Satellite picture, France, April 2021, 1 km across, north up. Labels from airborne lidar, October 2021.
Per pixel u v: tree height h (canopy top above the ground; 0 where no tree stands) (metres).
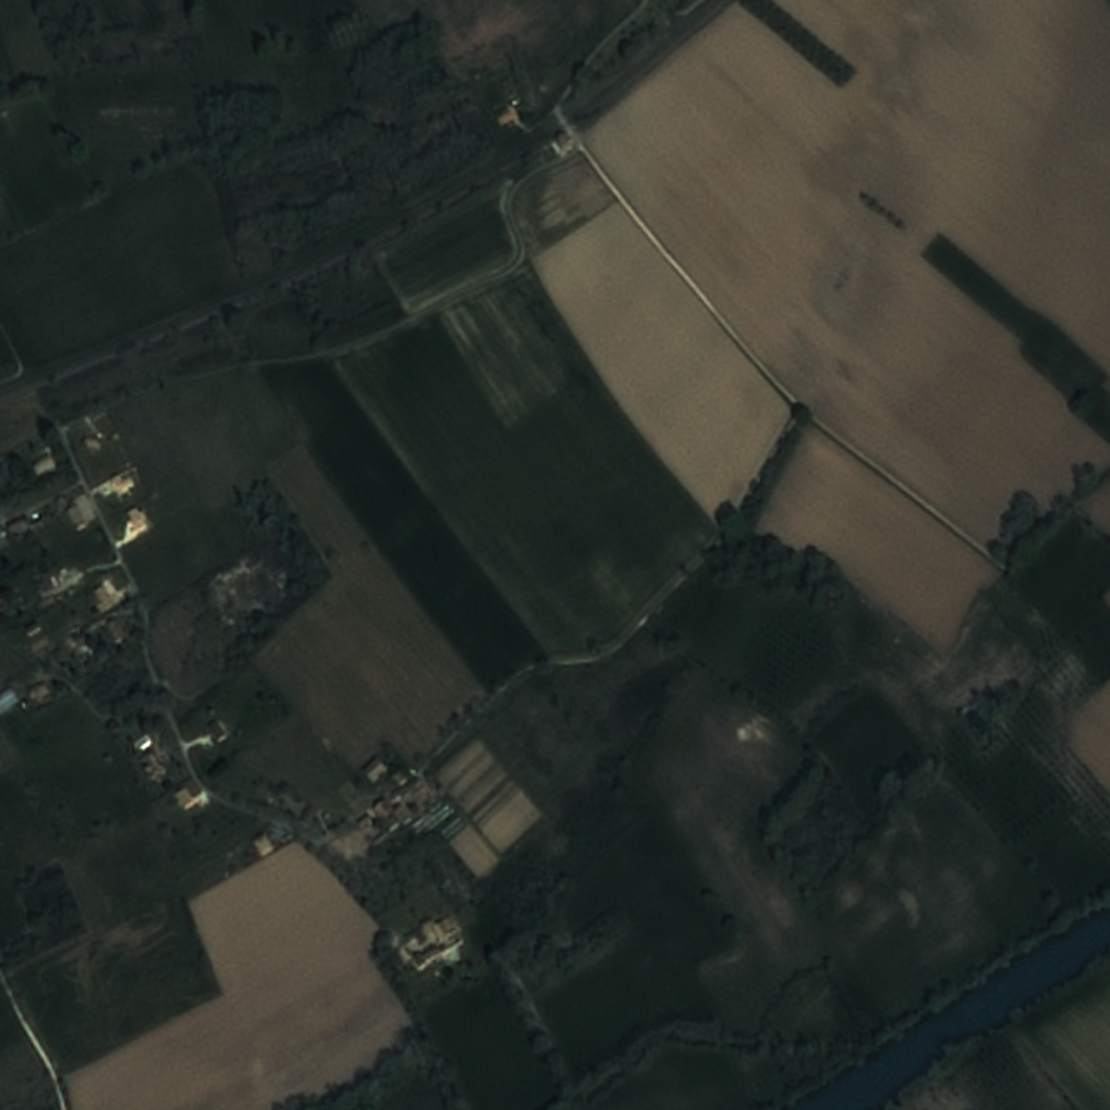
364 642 0
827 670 0
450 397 0
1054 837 0
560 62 0
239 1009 0
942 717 0
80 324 0
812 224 0
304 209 9
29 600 0
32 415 0
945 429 0
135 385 0
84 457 0
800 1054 17
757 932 0
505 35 0
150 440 0
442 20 0
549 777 0
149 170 16
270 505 12
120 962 0
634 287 0
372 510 0
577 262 0
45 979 0
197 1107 0
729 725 0
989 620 0
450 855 13
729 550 8
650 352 0
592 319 0
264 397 0
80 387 0
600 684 0
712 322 0
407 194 21
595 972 0
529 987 0
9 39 0
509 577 0
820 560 19
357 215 12
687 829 0
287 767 0
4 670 0
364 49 8
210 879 0
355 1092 16
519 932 8
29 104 16
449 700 0
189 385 0
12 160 0
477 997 0
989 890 0
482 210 0
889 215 7
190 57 11
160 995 0
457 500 0
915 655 0
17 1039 0
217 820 0
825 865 9
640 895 0
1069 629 0
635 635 0
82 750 0
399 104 10
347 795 0
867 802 0
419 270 0
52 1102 8
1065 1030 0
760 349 0
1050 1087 0
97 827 6
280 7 0
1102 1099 0
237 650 6
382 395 0
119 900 0
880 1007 0
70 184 0
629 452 0
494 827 0
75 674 12
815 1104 0
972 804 5
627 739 0
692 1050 24
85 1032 0
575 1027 0
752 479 0
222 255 0
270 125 22
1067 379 0
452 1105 16
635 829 0
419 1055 30
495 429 0
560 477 0
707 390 0
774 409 0
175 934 0
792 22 9
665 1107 0
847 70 8
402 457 0
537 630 0
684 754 0
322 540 0
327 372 0
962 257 0
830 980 7
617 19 0
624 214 0
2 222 0
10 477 12
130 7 0
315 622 0
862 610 0
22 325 0
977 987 11
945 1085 9
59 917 7
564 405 0
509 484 0
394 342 0
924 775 31
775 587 10
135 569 0
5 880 0
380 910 10
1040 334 0
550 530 0
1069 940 0
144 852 0
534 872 7
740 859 0
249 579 0
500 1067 0
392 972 12
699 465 0
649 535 0
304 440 0
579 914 0
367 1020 0
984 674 0
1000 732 10
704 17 0
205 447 0
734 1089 0
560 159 0
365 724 0
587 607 0
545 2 0
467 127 11
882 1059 0
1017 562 18
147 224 0
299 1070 0
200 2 9
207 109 15
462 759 0
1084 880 0
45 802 0
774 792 0
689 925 0
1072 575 0
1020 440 0
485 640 0
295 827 12
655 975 0
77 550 0
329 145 17
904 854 0
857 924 0
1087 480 21
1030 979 0
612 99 0
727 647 0
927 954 0
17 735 0
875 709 0
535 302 0
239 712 0
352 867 11
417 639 0
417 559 0
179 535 0
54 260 0
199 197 0
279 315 0
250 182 6
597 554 0
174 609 0
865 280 0
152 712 18
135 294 0
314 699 0
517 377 0
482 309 0
